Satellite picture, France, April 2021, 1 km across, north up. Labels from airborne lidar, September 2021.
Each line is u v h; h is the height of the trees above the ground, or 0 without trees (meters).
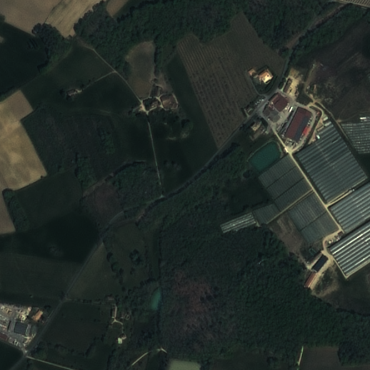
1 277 0
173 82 6
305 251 0
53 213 0
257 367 0
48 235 0
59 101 0
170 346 15
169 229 10
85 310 0
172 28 15
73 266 0
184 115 11
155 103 0
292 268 14
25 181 0
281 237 0
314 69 0
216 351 20
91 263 0
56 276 0
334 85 0
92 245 0
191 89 0
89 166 14
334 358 0
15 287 0
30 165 0
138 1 0
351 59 0
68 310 0
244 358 0
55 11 0
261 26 19
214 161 0
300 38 0
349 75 0
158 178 18
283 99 0
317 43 13
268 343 17
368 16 16
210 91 8
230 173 21
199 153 0
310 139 0
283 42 17
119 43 21
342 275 0
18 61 0
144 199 19
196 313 6
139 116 9
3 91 0
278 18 25
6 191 9
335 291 0
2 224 0
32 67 0
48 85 0
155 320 10
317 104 0
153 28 15
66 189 0
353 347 27
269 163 0
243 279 20
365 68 0
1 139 0
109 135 17
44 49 0
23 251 0
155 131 0
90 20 20
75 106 0
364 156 0
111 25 22
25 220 15
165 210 21
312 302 20
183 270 9
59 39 21
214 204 13
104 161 6
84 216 0
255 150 0
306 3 23
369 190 0
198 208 10
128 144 0
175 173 0
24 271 0
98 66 0
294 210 0
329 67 0
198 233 9
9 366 0
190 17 23
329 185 0
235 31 6
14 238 0
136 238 0
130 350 12
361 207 0
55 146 8
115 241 0
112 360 16
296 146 0
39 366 0
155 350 23
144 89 0
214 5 18
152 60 0
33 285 0
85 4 0
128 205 16
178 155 0
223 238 9
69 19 0
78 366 0
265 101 0
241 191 0
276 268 21
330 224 0
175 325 13
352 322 20
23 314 0
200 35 21
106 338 11
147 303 17
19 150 0
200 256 9
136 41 25
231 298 13
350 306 0
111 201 6
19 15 0
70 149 8
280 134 0
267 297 23
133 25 19
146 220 20
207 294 10
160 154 0
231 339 15
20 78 0
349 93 0
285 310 23
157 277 0
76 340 0
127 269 0
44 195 0
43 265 0
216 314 20
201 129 0
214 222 11
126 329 10
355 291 0
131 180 22
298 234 0
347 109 0
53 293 0
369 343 24
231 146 0
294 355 25
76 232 0
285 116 0
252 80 9
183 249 11
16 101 0
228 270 9
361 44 0
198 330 18
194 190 21
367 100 0
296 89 0
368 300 0
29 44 0
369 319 19
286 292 23
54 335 0
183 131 0
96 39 19
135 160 0
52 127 13
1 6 0
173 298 25
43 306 0
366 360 18
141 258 25
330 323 24
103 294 0
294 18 23
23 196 0
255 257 12
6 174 0
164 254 11
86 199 10
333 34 21
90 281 0
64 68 0
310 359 0
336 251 0
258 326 21
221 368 0
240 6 27
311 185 0
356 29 0
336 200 0
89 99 0
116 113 0
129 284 0
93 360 0
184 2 23
